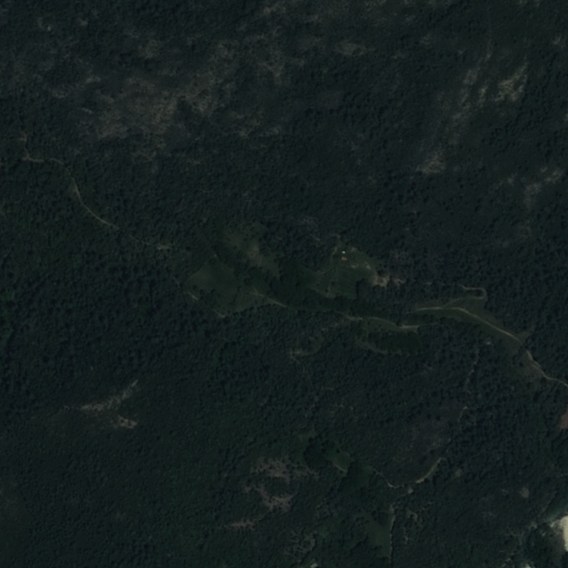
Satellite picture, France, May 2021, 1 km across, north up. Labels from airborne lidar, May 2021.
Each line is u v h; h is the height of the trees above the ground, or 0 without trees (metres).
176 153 7
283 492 6
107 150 8
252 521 10
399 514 10
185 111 11
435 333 7
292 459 11
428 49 6
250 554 13
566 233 5
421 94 9
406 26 6
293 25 6
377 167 10
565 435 14
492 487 11
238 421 15
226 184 11
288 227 15
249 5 23
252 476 9
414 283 19
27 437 13
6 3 8
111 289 15
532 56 8
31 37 12
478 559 9
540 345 10
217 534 6
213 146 9
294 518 8
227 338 14
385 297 12
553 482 27
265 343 11
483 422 18
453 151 7
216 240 12
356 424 10
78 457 8
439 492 17
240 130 7
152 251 10
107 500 7
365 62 6
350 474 15
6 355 15
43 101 7
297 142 8
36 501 15
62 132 9
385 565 19
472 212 5
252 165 10
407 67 8
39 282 16
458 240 6
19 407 9
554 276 23
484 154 6
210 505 10
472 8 17
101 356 11
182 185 10
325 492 8
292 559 8
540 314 11
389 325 0
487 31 10
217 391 12
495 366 10
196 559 9
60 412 10
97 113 8
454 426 24
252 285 13
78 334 17
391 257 20
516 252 10
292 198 7
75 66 10
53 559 6
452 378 8
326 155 6
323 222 8
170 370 9
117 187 13
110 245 6
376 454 8
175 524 10
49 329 11
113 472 11
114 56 9
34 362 14
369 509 9
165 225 17
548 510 10
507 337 0
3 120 8
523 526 14
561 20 12
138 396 11
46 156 6
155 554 17
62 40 8
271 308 14
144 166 10
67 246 8
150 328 12
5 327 22
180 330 11
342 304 13
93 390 9
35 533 16
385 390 13
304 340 7
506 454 23
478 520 11
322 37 11
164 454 7
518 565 10
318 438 13
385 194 6
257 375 15
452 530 13
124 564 13
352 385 8
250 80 8
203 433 9
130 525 10
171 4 7
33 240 15
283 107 6
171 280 7
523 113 15
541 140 5
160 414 10
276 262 7
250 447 11
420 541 12
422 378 7
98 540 9
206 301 11
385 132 11
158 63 10
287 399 15
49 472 7
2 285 10
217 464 10
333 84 6
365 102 13
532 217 8
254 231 5
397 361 6
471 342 15
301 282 14
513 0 7
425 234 6
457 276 9
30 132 13
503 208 7
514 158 7
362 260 0
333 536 14
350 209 15
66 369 8
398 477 7
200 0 10
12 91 7
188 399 8
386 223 19
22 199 13
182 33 9
